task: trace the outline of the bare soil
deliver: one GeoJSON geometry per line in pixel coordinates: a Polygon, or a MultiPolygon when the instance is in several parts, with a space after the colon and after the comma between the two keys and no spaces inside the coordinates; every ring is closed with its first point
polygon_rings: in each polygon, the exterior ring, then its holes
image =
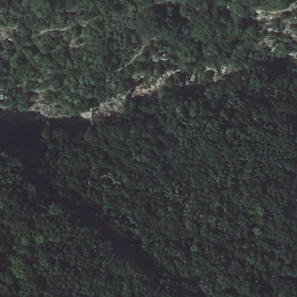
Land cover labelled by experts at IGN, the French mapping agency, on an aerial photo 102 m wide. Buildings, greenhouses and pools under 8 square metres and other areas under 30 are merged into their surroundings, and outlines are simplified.
{"type": "Polygon", "coordinates": [[[126,95],[135,97],[151,94],[154,89],[165,85],[166,79],[172,74],[181,72],[180,68],[176,68],[162,74],[151,87],[137,86],[133,93],[125,90],[124,94],[107,97],[100,106],[90,108],[81,114],[81,117],[92,118],[100,114],[110,116],[111,111],[123,113],[126,95]]]}

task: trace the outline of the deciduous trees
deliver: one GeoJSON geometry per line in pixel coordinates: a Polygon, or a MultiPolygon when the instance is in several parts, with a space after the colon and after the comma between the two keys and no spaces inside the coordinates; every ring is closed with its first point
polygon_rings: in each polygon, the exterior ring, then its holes
{"type": "Polygon", "coordinates": [[[0,0],[0,297],[297,297],[297,0],[0,0]],[[123,113],[111,111],[110,116],[100,114],[92,118],[81,117],[81,114],[90,108],[100,106],[107,97],[124,94],[125,90],[133,93],[137,86],[151,87],[162,74],[176,68],[180,68],[181,72],[172,74],[166,79],[165,85],[154,89],[151,94],[135,97],[126,95],[123,113]]]}

